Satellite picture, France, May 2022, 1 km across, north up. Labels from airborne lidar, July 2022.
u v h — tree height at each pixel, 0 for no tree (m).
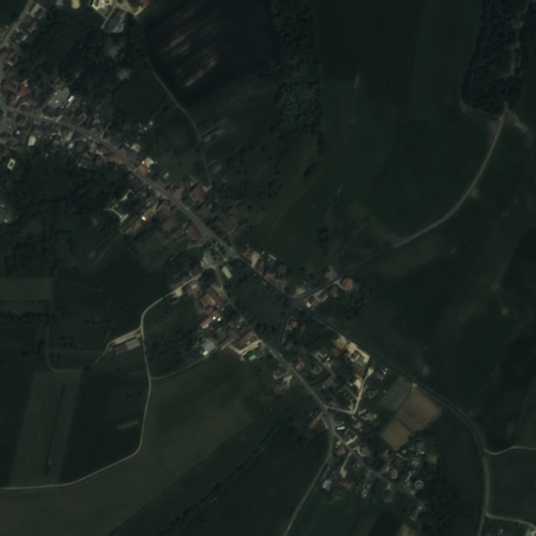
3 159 13
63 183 0
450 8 0
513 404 0
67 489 0
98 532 0
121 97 0
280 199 0
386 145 0
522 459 0
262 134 0
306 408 0
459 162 0
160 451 0
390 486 0
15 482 0
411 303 0
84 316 0
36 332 11
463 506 16
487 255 0
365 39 0
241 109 0
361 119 0
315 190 0
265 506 0
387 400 0
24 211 17
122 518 0
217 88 0
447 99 0
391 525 0
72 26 0
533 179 0
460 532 0
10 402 0
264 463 0
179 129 0
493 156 0
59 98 0
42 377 0
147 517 0
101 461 0
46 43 8
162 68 0
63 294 0
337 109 0
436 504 18
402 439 0
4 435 0
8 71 0
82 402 0
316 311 0
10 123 0
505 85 21
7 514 0
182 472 0
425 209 0
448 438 0
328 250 0
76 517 0
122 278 0
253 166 0
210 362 0
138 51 23
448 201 0
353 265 0
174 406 0
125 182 6
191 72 0
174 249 0
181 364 12
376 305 0
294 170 0
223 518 0
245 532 0
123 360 0
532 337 0
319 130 18
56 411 0
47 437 0
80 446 0
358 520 0
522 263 0
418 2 0
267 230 0
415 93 0
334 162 0
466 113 0
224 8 0
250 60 0
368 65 0
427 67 0
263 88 0
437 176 0
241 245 0
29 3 0
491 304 0
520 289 0
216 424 0
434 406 0
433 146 0
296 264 0
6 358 0
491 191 0
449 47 0
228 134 0
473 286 0
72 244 8
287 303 16
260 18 0
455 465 0
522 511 0
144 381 0
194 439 0
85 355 0
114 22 0
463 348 0
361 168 0
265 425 0
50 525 0
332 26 0
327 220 0
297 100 25
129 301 0
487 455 0
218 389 0
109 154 0
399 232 0
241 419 0
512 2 24
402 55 0
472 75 21
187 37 0
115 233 0
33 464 0
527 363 0
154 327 0
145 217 0
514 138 0
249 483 0
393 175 0
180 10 0
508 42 22
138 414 0
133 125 6
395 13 0
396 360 0
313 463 0
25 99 0
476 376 0
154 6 0
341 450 0
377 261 0
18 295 0
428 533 18
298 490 0
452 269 0
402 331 0
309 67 25
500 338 0
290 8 29
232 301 10
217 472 0
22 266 14
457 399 0
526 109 0
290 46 19
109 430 0
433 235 0
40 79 11
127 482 0
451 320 0
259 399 0
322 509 0
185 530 0
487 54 26
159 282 0
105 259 0
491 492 0
